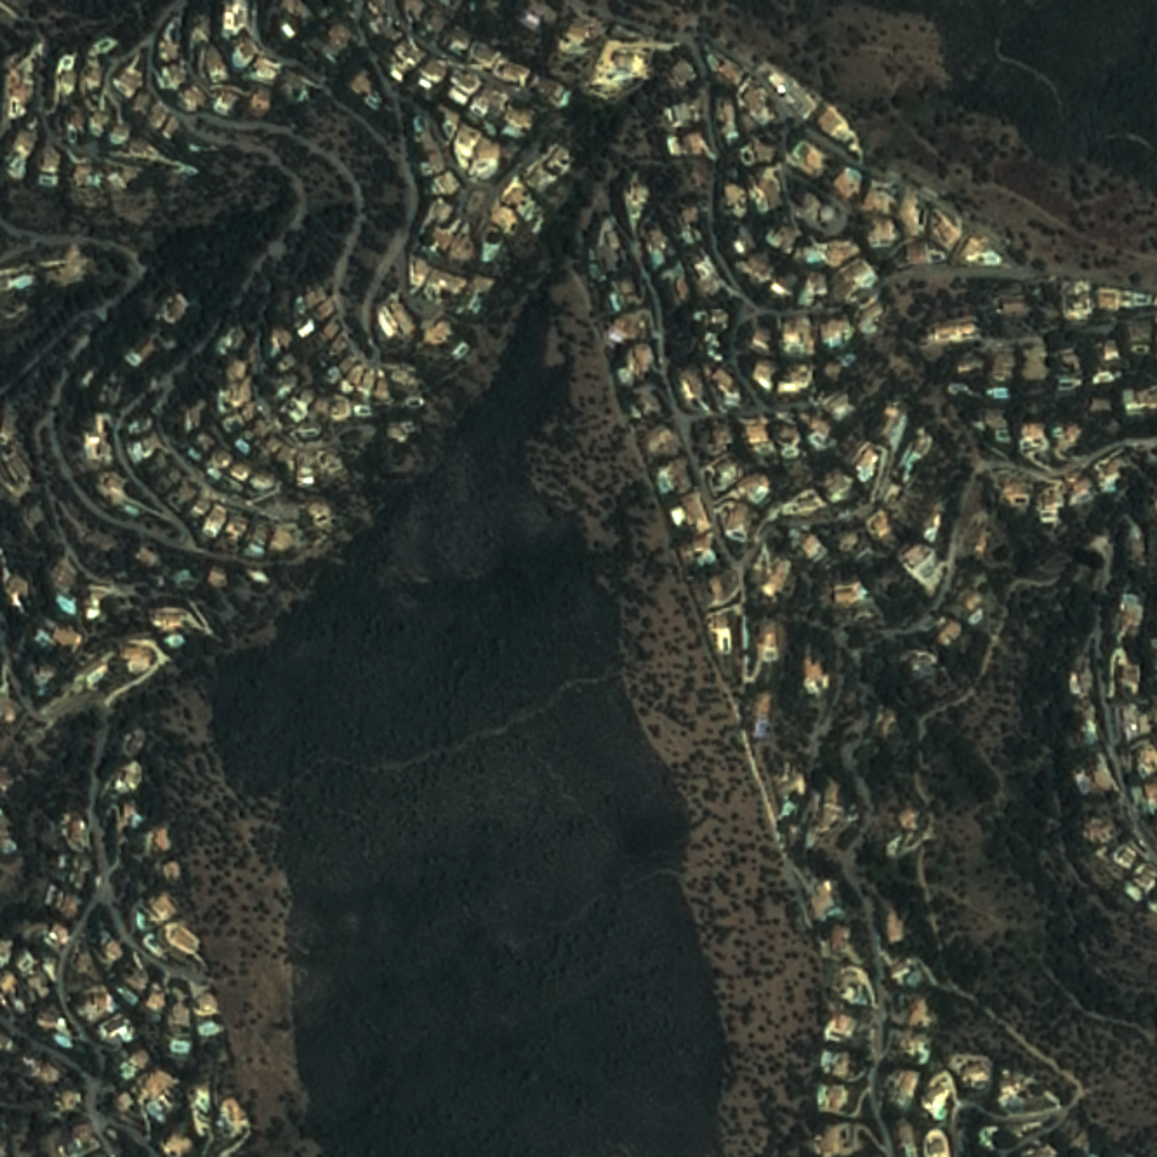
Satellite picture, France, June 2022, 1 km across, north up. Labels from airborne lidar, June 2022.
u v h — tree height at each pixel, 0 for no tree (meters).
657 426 6
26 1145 11
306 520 6
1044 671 13
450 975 6
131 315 7
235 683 6
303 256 10
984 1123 11
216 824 9
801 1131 6
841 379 6
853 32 7
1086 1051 6
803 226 7
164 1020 7
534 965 8
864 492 9
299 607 11
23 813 6
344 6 12
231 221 6
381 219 9
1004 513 8
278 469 9
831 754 11
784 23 8
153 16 9
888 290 10
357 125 6
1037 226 7
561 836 8
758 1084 9
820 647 6
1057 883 8
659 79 9
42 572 9
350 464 9
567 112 6
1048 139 9
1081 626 10
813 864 8
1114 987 8
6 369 7
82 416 7
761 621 9
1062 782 9
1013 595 6
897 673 12
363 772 9
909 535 8
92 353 6
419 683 6
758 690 6
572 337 8
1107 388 11
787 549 6
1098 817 7
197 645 9
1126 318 7
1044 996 11
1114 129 6
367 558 6
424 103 6
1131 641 5
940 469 7
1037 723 10
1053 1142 11
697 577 8
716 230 7
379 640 7
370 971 6
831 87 7
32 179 9
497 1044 6
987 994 5
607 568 7
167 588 9
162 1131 9
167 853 7
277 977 0
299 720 6
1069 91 6
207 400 8
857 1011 6
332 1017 5
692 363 6
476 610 6
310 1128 10
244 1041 0
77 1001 14
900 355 10
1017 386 8
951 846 7
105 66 7
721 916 6
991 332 7
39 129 8
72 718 7
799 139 8
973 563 8
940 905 8
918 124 7
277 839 7
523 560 9
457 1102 8
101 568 7
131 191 11
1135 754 6
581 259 8
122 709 11
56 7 6
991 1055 10
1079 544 6
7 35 8
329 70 6
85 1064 10
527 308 7
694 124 6
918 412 8
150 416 9
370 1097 6
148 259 11
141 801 6
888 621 6
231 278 11
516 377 8
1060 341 13
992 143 8
